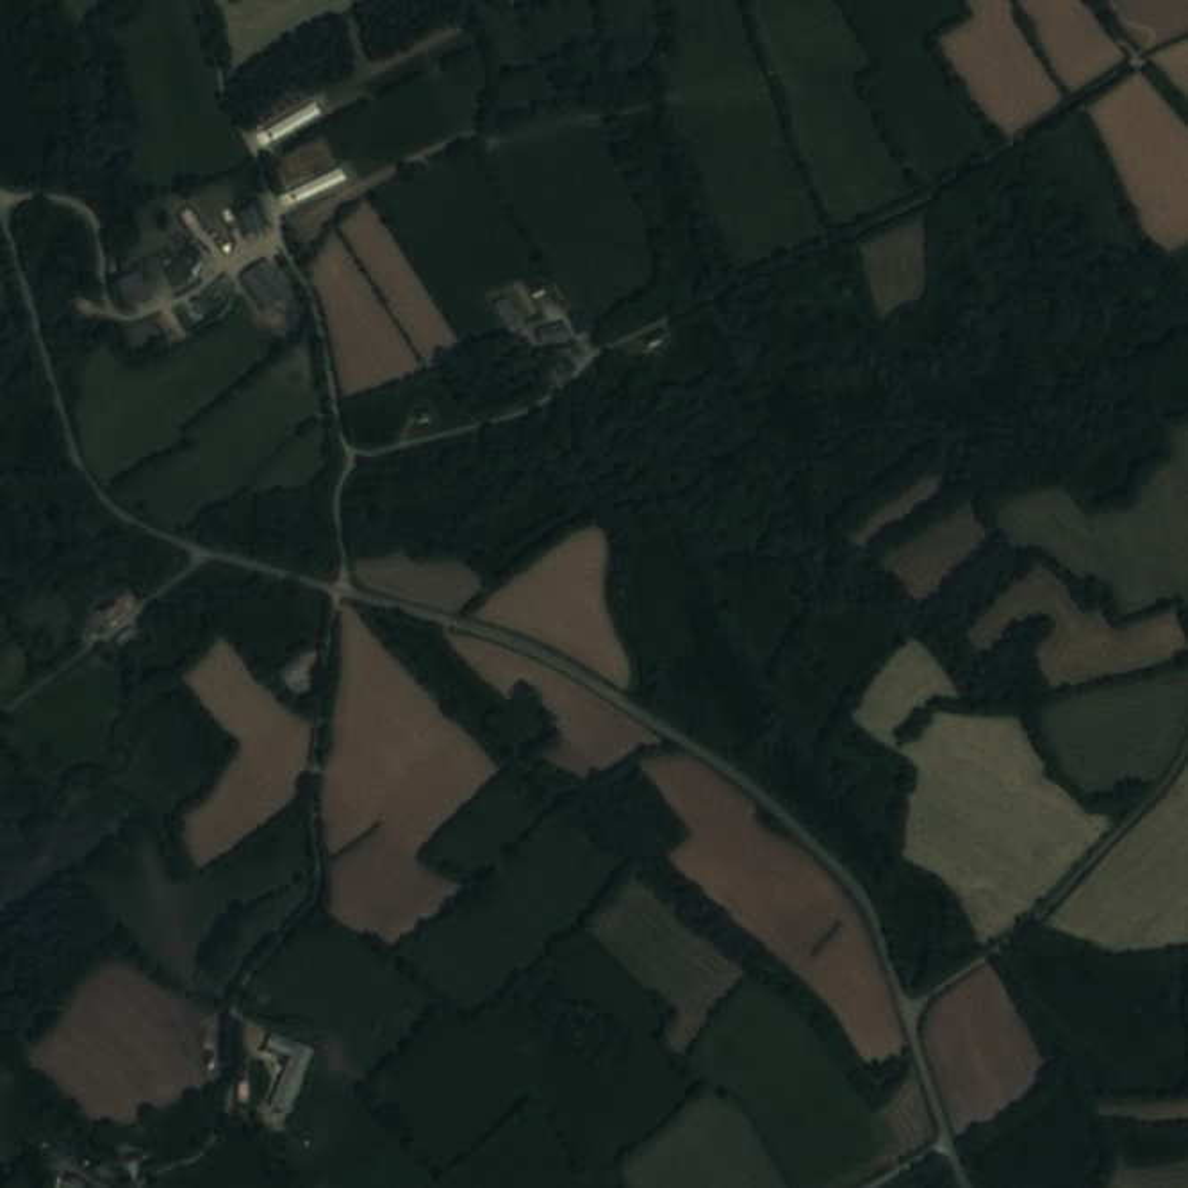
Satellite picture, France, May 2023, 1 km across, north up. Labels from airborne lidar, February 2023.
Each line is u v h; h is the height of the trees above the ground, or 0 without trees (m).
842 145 0
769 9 0
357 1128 0
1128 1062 0
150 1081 0
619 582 7
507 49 0
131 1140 0
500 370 18
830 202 0
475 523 9
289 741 0
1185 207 0
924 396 0
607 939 0
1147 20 0
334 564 8
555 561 0
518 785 8
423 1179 0
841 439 8
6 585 11
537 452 21
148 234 0
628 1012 0
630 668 0
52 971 23
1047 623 14
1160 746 0
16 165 0
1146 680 7
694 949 0
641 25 0
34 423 0
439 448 6
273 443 0
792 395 0
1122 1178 0
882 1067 9
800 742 14
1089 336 10
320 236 8
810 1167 0
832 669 10
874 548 14
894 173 0
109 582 7
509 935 0
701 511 15
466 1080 0
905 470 14
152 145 0
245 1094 0
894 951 10
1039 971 0
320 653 10
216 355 0
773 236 0
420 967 0
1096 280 14
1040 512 0
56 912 21
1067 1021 0
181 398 0
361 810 0
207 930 0
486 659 0
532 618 0
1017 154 6
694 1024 0
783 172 0
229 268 0
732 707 0
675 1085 0
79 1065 0
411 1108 0
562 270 0
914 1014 0
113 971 0
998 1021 0
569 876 0
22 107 0
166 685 15
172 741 0
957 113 0
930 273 6
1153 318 12
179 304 0
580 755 0
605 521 14
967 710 9
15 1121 0
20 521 14
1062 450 18
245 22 0
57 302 13
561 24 0
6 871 0
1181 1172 0
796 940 0
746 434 12
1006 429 6
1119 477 0
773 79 9
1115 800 9
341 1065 0
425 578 0
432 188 0
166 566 9
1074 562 0
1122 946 0
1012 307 10
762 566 18
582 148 0
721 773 0
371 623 8
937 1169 11
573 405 18
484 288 0
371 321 0
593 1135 0
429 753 0
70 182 14
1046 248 7
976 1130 11
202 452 0
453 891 0
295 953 0
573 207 0
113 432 0
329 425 12
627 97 13
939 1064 0
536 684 0
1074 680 0
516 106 0
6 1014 12
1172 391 0
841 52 0
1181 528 0
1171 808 0
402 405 0
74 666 0
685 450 13
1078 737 0
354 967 0
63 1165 0
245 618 0
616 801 11
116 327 9
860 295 13
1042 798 0
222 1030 8
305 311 6
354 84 0
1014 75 0
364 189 0
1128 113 0
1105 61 0
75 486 12
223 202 0
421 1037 14
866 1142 0
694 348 0
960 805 0
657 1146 0
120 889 0
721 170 0
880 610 6
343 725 0
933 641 9
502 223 0
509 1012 0
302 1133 0
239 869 0
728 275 18
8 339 11
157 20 0
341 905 0
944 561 0
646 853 16
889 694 0
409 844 0
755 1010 0
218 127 0
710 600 12
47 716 0
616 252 0
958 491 18
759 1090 0
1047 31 0
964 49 0
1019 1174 0
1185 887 0
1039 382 10
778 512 9
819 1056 0
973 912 0
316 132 8
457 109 0
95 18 17
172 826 15
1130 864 0
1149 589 0
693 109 0
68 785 10
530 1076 0
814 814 0
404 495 8
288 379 0
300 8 0
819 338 0
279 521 11
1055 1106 0
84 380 0
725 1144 0
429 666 6
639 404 10
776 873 0
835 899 0
